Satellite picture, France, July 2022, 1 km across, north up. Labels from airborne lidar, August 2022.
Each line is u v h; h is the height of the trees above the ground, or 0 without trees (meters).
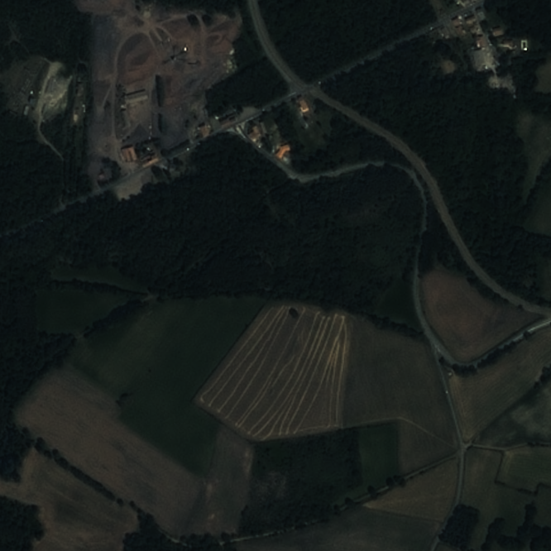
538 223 0
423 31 0
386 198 7
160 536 7
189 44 0
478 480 0
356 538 0
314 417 0
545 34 17
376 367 0
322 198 14
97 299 0
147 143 9
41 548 0
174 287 17
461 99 8
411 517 0
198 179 15
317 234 6
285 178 13
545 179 11
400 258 12
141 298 7
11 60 7
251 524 6
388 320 14
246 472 0
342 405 0
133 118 0
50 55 12
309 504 7
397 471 0
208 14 9
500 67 9
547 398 0
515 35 15
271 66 7
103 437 0
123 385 0
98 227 17
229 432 0
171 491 0
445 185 6
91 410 0
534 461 0
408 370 0
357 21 18
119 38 0
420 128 7
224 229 23
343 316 0
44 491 0
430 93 19
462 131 17
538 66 12
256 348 0
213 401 0
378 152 17
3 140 10
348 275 7
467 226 17
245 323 0
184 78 0
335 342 0
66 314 0
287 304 0
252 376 0
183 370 0
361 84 20
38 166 12
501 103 8
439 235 16
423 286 0
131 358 0
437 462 0
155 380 0
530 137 0
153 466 0
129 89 0
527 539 11
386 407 0
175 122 0
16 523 18
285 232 12
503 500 0
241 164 10
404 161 12
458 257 14
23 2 11
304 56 15
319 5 11
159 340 0
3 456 6
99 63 0
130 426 0
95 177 0
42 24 6
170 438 0
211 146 11
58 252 7
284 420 0
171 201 26
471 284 19
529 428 0
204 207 18
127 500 0
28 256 11
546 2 15
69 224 8
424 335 8
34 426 0
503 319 0
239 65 13
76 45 10
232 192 14
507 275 23
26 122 10
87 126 13
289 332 0
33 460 0
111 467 0
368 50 12
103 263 14
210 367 0
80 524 0
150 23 0
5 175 15
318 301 6
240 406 0
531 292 14
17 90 0
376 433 0
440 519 0
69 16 11
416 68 16
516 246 20
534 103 13
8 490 0
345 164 9
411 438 0
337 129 18
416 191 14
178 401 0
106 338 0
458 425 0
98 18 0
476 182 7
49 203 8
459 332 0
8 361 17
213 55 0
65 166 12
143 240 20
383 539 0
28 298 20
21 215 9
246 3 14
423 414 0
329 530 0
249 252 12
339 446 6
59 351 10
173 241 15
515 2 19
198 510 0
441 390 0
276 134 0
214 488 0
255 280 10
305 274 8
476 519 15
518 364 0
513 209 10
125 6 0
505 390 0
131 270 15
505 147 8
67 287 7
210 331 0
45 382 0
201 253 8
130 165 0
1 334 21
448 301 0
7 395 21
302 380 0
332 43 14
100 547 0
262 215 8
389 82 20
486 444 0
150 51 0
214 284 11
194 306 0
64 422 0
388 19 21
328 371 0
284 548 0
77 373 0
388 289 6
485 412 0
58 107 0
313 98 0
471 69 12
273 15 16
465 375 15
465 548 14
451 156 7
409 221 11
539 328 0
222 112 13
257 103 10
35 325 17
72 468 9
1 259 12
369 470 0
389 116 14
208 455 0
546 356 0
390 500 0
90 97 6
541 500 0
